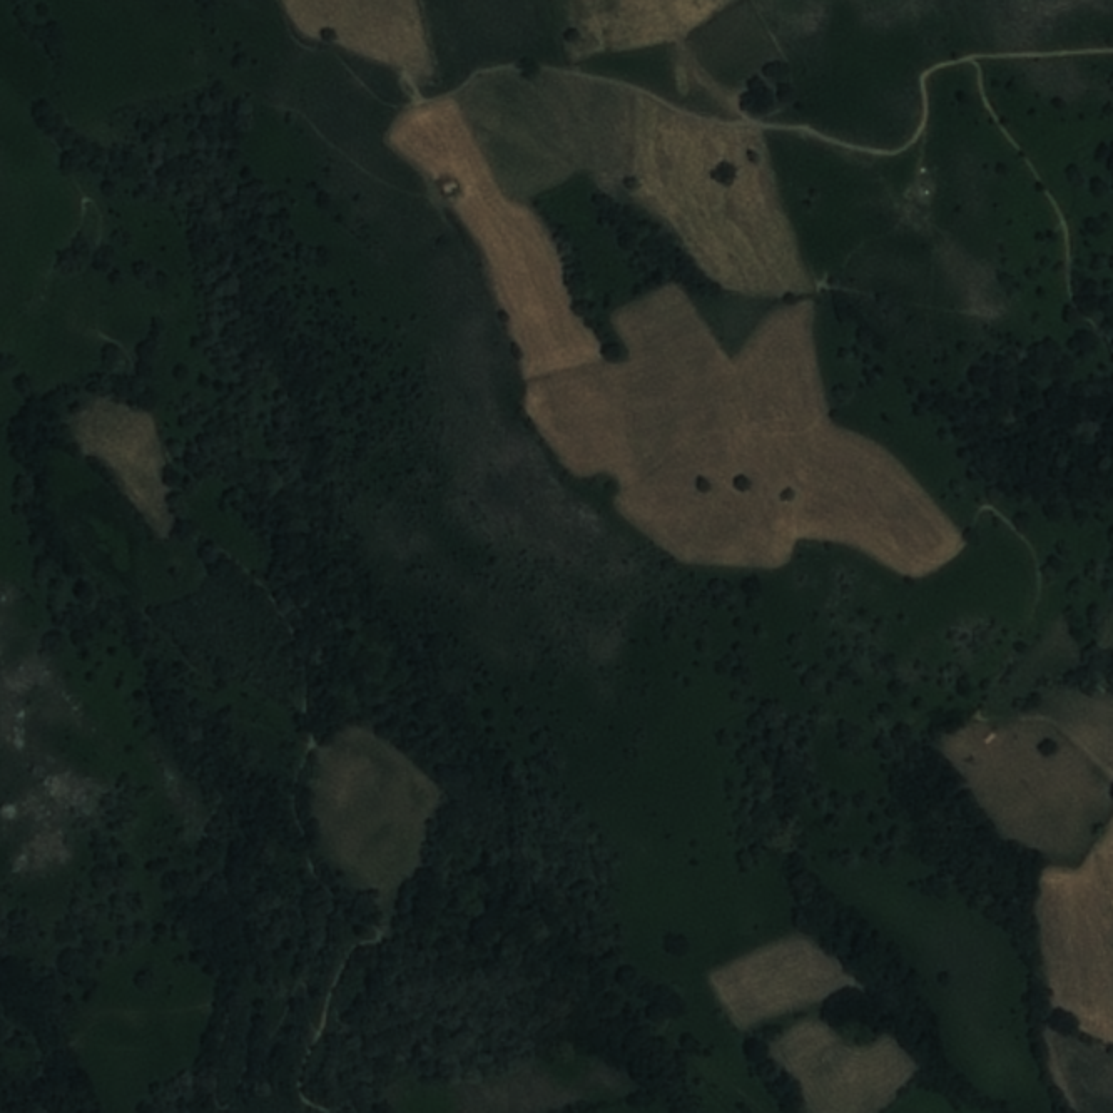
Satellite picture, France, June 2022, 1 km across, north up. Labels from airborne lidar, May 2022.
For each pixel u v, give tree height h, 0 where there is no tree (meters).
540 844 7
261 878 12
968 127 0
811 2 0
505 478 0
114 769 0
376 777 0
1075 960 0
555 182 0
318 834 13
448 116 0
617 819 0
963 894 7
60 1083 18
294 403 14
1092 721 0
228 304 14
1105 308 14
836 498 0
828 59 0
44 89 0
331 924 18
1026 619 0
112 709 0
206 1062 9
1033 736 0
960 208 7
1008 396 21
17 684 0
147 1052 0
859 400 0
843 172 0
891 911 0
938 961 0
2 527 0
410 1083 0
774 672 0
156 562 0
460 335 0
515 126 0
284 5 0
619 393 0
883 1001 22
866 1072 0
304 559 19
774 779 15
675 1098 10
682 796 0
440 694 10
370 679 25
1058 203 0
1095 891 0
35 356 0
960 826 12
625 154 0
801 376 0
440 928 19
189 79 0
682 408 0
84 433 0
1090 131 0
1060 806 0
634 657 0
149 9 0
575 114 0
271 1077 9
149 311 0
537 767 7
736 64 0
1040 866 18
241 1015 16
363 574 12
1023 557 0
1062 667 0
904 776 15
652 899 0
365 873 0
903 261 0
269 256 8
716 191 0
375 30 0
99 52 0
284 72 0
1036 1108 0
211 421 13
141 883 0
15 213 0
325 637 22
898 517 0
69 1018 20
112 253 16
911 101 0
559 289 0
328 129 0
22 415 10
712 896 0
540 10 0
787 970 0
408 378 9
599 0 0
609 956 13
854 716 0
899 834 14
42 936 16
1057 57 0
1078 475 19
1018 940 7
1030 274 12
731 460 0
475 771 18
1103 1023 0
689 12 0
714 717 0
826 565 0
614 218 10
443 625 0
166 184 17
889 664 12
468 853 21
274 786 9
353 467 6
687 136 0
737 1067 0
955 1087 10
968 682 11
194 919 20
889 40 0
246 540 0
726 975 0
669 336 0
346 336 7
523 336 0
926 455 0
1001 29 0
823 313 0
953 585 0
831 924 9
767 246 0
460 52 0
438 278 0
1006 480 17
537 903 16
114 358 15
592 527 0
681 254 10
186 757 8
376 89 0
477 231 0
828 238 0
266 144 0
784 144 0
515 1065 15
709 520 0
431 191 0
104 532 0
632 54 0
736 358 0
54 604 15
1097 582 14
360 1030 10
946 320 0
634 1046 15
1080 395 16
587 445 0
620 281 0
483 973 15
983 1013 0
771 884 0
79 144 10
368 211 0
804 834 15
